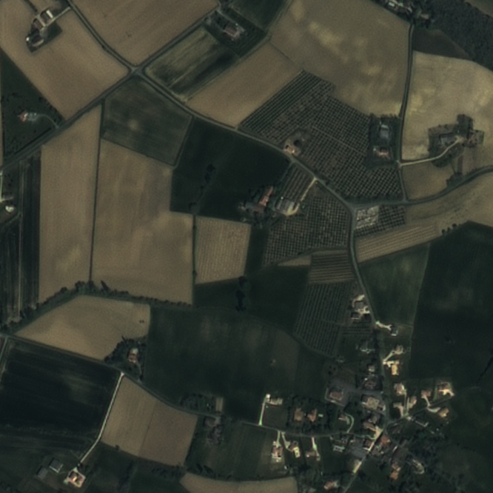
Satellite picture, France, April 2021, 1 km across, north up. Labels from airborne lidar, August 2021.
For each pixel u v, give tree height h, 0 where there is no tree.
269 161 0
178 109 0
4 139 8
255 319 0
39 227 0
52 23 0
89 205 0
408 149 0
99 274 0
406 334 0
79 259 0
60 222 0
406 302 0
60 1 0
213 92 0
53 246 0
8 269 0
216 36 0
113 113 0
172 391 0
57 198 0
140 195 0
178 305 6
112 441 0
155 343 0
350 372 0
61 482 0
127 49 0
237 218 0
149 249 0
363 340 0
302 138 0
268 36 0
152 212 0
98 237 0
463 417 0
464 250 0
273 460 0
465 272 0
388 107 0
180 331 0
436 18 20
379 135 13
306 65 0
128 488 17
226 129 0
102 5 0
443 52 0
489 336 0
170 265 0
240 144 0
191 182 0
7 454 0
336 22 0
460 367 0
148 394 0
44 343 0
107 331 0
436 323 0
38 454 0
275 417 0
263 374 0
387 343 0
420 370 0
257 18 0
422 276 0
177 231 0
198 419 0
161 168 0
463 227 0
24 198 0
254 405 0
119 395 0
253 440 0
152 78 0
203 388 0
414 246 0
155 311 0
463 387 0
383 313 0
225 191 0
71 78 0
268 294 0
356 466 0
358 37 0
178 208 0
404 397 0
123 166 0
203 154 0
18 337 0
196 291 0
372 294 0
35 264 0
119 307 0
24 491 0
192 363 0
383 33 0
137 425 0
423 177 0
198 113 0
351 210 0
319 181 0
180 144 0
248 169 0
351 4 0
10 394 0
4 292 0
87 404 0
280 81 0
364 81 0
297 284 0
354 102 0
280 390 0
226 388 0
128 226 0
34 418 0
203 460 0
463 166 0
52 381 0
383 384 22
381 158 16
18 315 0
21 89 0
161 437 0
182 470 13
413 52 0
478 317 0
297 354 0
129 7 0
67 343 0
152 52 0
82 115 0
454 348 0
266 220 12
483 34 20
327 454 0
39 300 0
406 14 6
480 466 0
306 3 0
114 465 0
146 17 0
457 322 0
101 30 0
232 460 0
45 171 0
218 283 0
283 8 0
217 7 0
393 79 0
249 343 0
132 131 0
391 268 0
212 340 0
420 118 0
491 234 0
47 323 0
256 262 0
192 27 0
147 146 0
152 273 0
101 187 0
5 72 0
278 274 0
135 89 0
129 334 0
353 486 0
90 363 0
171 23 0
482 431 0
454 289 0
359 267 0
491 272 0
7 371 0
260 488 0
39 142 0
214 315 0
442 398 0
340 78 0
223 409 0
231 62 0
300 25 0
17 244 0
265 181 0
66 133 0
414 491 8
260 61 0
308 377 0
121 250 0
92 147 0
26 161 0
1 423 0
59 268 0
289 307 0
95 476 11
